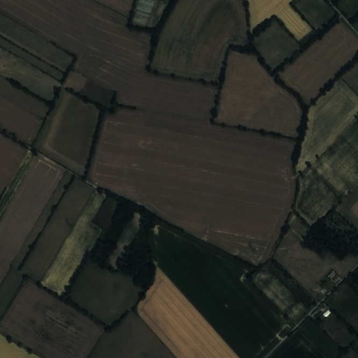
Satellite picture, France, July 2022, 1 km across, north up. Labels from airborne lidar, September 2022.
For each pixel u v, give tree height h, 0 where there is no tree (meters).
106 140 0
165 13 12
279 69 13
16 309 0
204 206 0
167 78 0
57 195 0
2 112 0
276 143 0
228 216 0
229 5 0
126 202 19
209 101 0
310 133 0
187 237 0
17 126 0
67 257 0
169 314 0
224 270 0
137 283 19
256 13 0
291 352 0
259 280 0
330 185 0
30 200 0
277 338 0
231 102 0
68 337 0
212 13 0
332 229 6
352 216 0
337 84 0
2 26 0
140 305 0
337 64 0
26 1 0
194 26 0
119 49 0
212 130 0
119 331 0
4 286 0
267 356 0
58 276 0
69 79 0
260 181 0
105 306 0
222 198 0
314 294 0
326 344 0
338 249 26
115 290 0
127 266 8
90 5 0
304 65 0
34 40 0
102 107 12
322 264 0
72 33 0
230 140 0
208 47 0
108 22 0
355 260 0
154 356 0
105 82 0
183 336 0
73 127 0
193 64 0
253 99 0
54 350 0
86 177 13
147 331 0
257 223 0
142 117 0
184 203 0
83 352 0
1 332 0
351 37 0
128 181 0
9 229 0
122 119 0
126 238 0
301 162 0
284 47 0
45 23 0
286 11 0
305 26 0
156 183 0
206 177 0
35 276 0
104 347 0
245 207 0
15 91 0
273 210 0
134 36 0
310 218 0
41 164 0
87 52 0
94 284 0
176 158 0
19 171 0
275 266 11
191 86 0
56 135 0
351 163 0
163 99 0
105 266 15
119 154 0
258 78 0
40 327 0
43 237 0
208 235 0
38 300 0
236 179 0
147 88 0
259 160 0
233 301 0
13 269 0
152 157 0
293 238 0
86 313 16
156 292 0
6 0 0
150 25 0
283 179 0
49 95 0
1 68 0
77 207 0
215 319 0
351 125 0
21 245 0
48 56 0
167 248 0
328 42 0
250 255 0
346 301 0
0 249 0
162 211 0
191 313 0
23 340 0
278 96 0
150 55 11
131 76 0
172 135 0
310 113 0
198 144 0
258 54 15
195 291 0
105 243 18
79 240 0
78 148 0
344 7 0
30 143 0
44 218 0
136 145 0
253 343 0
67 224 0
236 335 0
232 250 0
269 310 0
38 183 0
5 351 0
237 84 0
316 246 7
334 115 0
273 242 0
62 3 0
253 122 0
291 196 0
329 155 0
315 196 0
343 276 0
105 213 0
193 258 0
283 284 0
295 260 0
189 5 0
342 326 0
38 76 0
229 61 0
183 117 0
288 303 0
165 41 0
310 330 0
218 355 0
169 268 0
